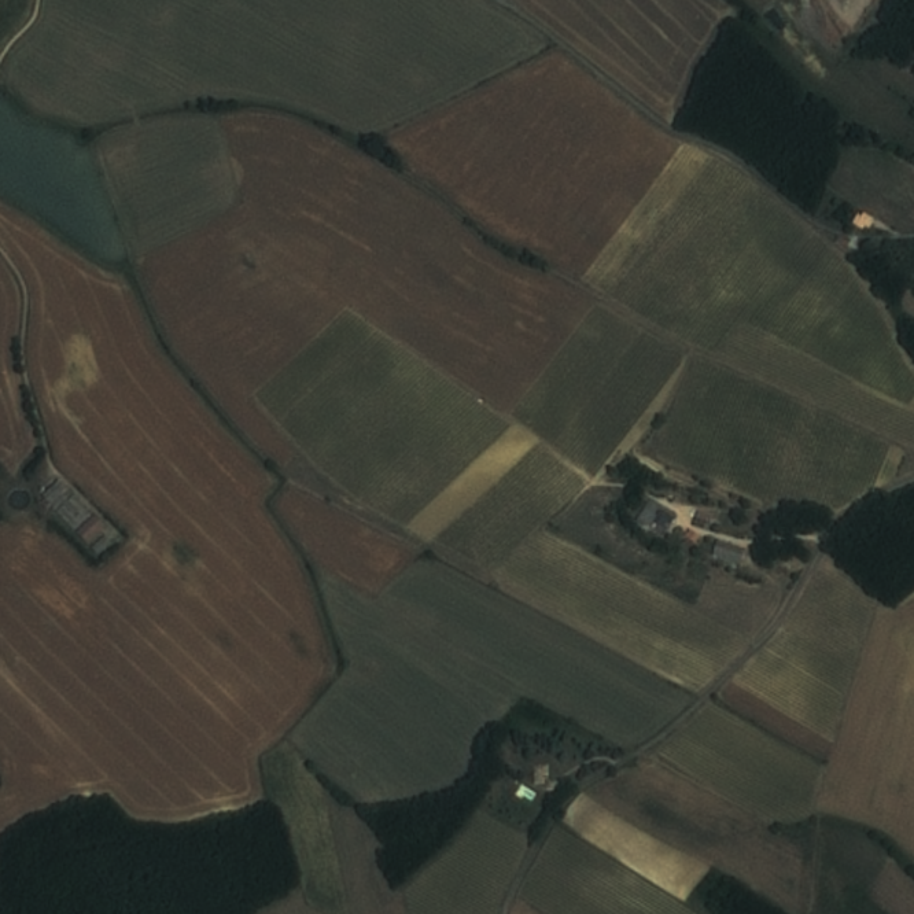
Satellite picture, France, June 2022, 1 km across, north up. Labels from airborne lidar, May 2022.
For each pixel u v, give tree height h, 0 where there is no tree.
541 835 12
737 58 18
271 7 0
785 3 0
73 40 0
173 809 0
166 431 0
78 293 0
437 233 0
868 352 0
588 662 0
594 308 0
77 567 0
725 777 0
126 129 0
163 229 0
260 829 18
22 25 0
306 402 0
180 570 0
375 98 0
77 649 0
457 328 0
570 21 0
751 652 0
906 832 0
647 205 0
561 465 0
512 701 0
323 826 0
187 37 0
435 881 0
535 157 0
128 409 0
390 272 0
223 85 0
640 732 0
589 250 0
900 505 13
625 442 0
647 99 0
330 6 0
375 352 0
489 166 0
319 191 0
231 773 0
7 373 0
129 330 0
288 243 0
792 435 0
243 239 0
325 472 0
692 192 0
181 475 0
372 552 0
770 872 0
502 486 0
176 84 0
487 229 0
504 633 0
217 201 0
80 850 8
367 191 0
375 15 0
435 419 0
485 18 0
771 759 0
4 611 0
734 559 0
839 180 0
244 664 0
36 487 0
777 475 0
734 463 0
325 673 0
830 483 0
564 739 15
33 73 0
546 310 0
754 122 14
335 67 0
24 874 8
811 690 0
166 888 12
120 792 0
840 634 0
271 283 0
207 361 0
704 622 0
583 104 0
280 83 0
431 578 0
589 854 0
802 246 0
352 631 0
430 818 13
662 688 0
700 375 0
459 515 0
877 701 0
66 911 6
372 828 6
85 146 0
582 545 0
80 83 0
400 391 0
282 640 0
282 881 19
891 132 0
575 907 0
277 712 0
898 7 20
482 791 11
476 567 0
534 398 0
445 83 0
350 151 0
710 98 15
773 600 0
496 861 0
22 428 0
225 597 0
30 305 0
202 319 0
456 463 0
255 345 0
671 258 0
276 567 0
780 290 0
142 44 0
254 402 0
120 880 13
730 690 0
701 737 0
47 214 0
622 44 0
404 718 0
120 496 0
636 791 0
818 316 0
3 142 0
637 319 0
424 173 0
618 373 0
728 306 0
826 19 0
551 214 0
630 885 0
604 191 0
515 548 0
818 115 21
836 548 14
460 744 0
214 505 0
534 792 0
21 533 0
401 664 0
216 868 15
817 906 0
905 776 0
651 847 0
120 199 0
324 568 0
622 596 0
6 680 0
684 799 0
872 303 0
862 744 0
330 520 0
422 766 0
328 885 0
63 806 9
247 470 0
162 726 0
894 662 0
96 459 0
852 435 0
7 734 0
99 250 0
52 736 0
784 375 0
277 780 0
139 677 0
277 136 0
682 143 0
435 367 0
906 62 19
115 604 0
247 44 0
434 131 0
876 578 14
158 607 0
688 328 0
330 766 0
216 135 0
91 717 0
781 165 15
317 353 0
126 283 0
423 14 0
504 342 0
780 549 16
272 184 0
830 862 0
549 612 0
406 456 0
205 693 0
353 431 0
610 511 7
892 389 0
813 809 0
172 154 0
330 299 0
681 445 0
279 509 0
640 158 0
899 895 0
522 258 9
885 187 0
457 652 0
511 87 0
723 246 0
